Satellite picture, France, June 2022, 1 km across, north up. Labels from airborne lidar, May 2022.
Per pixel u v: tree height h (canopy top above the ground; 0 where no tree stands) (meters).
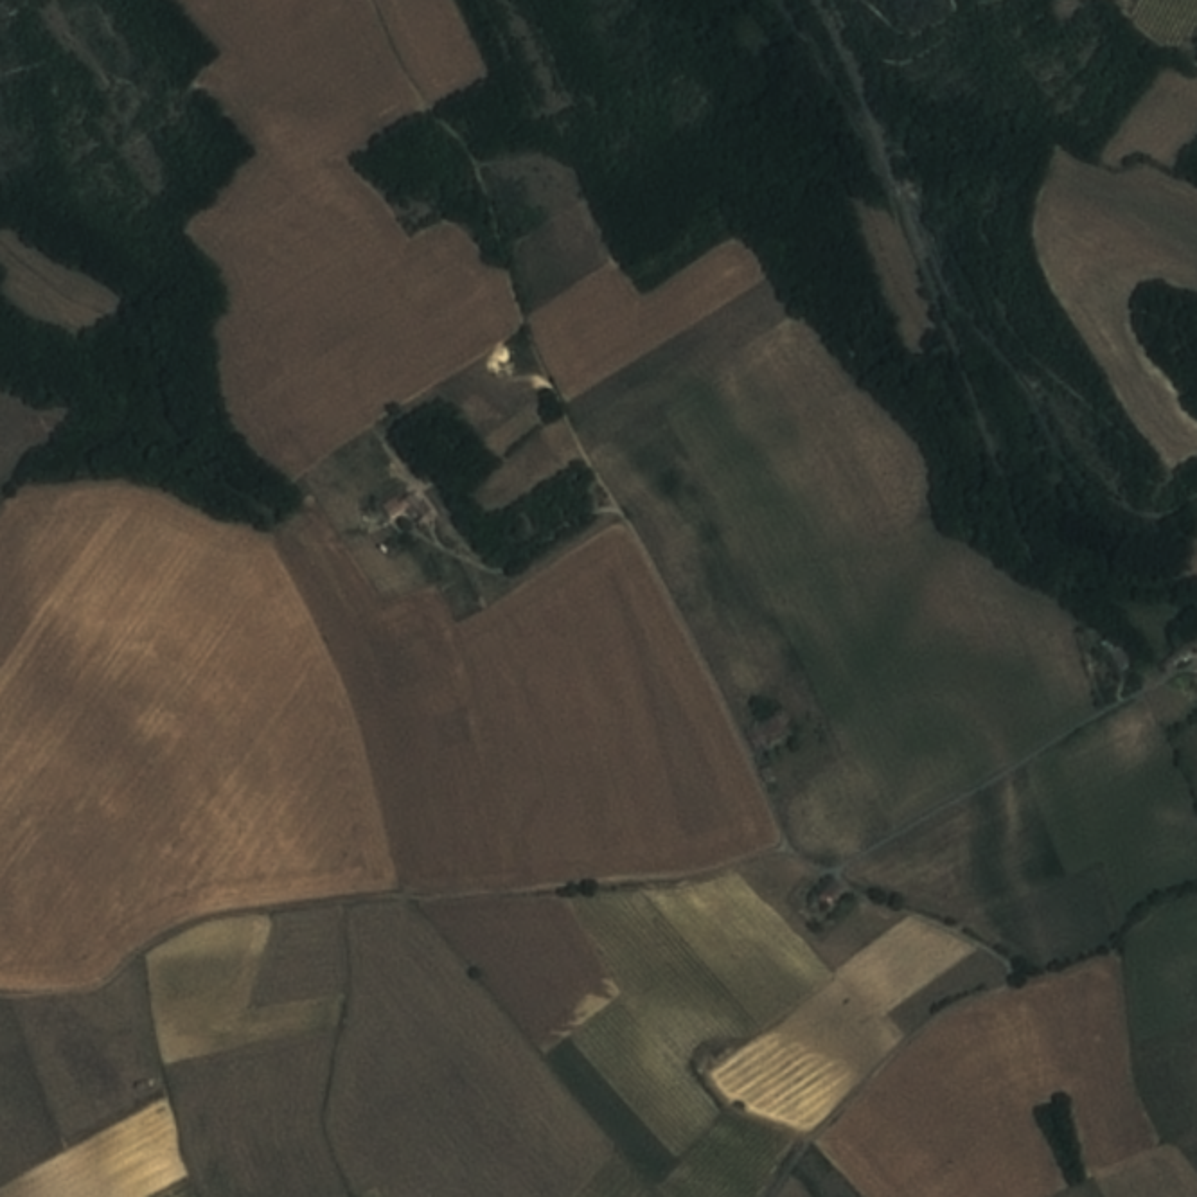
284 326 0
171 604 0
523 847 0
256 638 0
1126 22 11
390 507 0
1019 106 7
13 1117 0
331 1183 0
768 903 0
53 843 0
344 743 0
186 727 0
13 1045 0
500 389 0
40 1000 0
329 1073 0
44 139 5
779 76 20
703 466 0
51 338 17
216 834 0
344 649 0
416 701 0
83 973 0
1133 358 0
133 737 0
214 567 0
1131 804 0
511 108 9
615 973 0
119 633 0
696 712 0
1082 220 0
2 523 0
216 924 0
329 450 0
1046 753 0
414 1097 0
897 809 0
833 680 0
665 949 0
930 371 24
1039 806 0
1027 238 6
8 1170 0
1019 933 0
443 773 0
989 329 9
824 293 16
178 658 0
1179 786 0
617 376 0
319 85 0
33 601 0
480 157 12
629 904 0
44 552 0
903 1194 0
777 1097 0
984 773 0
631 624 0
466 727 0
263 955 0
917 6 13
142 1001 0
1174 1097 0
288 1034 0
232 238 0
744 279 0
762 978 0
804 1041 0
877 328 23
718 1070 0
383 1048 0
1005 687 0
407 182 10
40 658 0
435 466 19
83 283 0
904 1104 0
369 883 0
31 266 0
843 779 0
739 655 0
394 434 15
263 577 0
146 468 14
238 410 0
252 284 0
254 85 0
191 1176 0
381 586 0
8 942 0
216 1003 0
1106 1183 0
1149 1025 0
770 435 0
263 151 0
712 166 15
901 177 10
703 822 0
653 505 0
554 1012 0
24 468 13
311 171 0
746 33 0
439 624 0
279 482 15
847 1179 0
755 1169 0
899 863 0
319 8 0
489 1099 0
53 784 0
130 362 6
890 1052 0
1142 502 8
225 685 0
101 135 7
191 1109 0
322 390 0
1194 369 12
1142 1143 0
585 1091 0
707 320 0
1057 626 0
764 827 0
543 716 0
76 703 0
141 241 8
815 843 0
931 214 8
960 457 15
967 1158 0
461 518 18
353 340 0
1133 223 0
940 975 0
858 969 0
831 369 0
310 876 0
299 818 0
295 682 0
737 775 0
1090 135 11
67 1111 0
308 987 0
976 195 9
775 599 0
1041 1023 0
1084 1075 0
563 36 9
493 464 10
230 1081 0
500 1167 0
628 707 0
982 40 6
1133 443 10
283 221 0
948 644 0
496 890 0
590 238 0
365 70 0
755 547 0
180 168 8
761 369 0
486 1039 0
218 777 0
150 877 0
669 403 0
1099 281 0
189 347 12
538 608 0
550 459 0
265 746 0
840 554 0
